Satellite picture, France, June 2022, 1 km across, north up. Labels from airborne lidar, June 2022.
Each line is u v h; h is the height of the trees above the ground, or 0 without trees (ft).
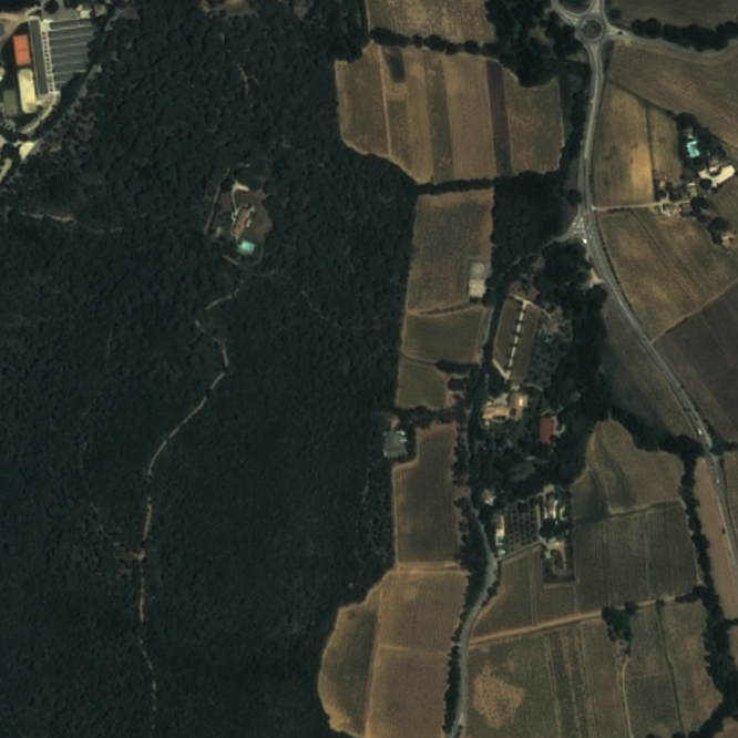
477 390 52
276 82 28
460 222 0
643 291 0
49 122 28
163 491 41
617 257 0
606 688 0
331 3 37
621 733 0
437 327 0
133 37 46
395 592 0
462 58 0
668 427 0
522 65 32
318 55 43
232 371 30
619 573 0
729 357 0
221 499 19
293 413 24
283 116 38
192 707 46
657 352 0
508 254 36
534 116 0
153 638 32
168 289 39
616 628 27
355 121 0
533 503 37
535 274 52
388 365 50
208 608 39
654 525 0
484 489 50
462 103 0
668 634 0
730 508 0
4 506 20
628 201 0
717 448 35
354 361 39
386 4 0
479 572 32
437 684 0
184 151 45
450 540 0
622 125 0
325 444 39
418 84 0
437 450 0
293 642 21
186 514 25
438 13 0
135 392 25
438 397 0
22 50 0
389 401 41
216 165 47
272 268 24
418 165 0
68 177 23
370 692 0
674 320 0
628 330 0
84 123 20
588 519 0
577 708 0
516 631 0
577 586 0
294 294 38
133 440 21
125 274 23
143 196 46
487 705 0
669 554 0
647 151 0
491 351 36
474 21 0
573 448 38
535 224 51
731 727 0
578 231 0
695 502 42
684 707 0
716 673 46
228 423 43
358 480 38
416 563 0
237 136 42
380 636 0
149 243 29
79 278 26
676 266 0
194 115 46
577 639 0
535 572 0
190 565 39
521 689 0
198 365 35
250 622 29
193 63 42
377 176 40
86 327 36
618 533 0
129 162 43
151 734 31
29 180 28
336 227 34
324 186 38
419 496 0
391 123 0
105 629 38
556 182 62
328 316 30
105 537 43
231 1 0
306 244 44
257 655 36
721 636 57
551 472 71
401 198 30
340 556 41
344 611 0
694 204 40
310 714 22
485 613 0
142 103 52
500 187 47
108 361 24
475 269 0
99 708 24
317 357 47
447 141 0
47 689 19
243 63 21
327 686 0
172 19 47
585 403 57
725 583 0
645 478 0
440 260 0
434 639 0
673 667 0
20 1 70
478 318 0
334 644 0
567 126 0
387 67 0
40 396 27
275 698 21
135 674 33
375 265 60
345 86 0
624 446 0
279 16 39
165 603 18
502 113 0
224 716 26
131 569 46
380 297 51
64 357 55
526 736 0
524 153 0
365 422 37
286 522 24
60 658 21
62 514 33
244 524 23
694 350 0
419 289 0
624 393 0
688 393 0
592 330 46
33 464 18
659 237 0
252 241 0
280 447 19
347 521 31
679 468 0
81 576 22
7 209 30
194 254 36
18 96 0
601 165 0
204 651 27
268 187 43
